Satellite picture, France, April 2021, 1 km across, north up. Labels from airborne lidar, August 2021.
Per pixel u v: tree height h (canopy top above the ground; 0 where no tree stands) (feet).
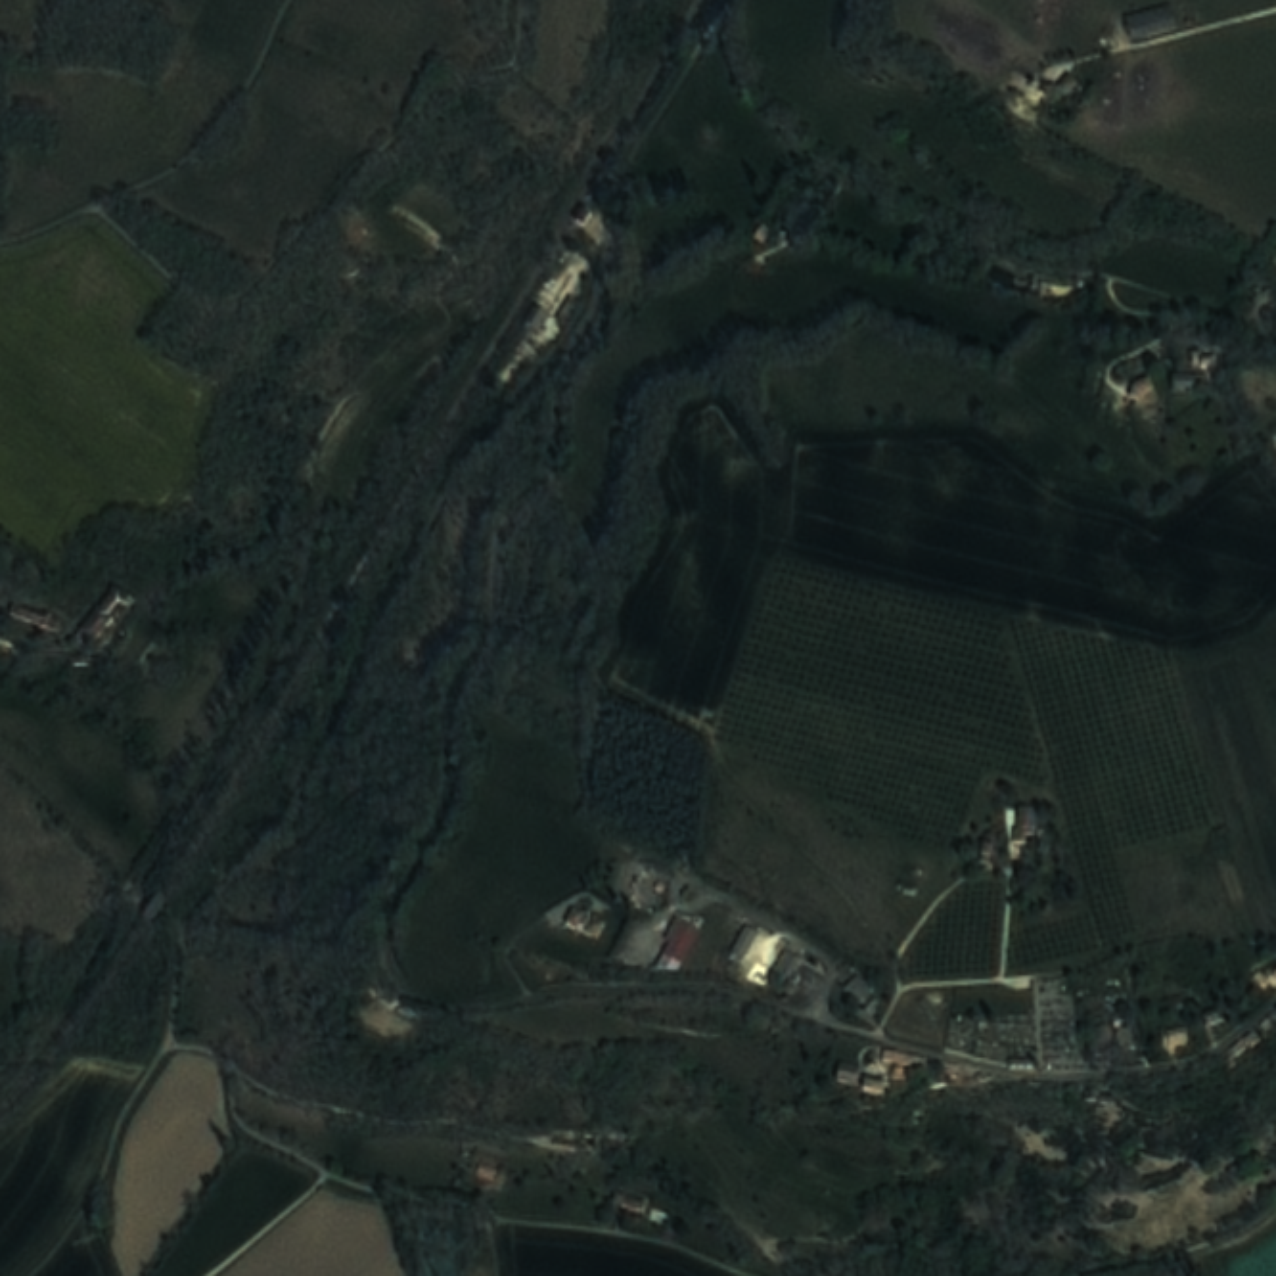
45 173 0
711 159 0
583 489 0
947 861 0
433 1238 27
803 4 0
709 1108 59
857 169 60
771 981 23
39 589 56
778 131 66
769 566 0
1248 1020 26
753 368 69
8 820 0
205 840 58
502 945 23
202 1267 0
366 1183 27
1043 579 0
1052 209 0
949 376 0
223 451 56
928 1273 54
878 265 54
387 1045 25
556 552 38
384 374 0
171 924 42
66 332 0
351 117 0
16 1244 0
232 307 48
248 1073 61
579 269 0
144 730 22
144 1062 60
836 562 0
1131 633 0
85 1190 0
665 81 23
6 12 0
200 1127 0
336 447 0
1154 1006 47
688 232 0
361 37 0
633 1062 61
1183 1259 35
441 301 63
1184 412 0
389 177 54
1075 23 0
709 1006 31
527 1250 0
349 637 104
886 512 0
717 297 0
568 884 0
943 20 0
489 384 30
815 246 74
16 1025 29
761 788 0
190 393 0
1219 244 53
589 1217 0
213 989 0
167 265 60
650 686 0
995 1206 48
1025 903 36
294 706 56
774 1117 42
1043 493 0
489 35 42
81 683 30
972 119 25
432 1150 0
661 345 0
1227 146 0
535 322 0
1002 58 0
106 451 0
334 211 53
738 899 26
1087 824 17
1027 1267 60
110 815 0
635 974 25
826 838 0
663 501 30
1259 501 0
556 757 0
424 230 0
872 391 0
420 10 0
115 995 52
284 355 54
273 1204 0
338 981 59
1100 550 0
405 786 69
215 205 0
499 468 65
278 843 64
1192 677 0
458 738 57
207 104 0
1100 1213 52
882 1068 0
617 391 0
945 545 0
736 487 0
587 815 28
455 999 0
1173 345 49
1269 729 0
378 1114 55
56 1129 0
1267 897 0
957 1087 50
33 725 0
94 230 0
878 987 45
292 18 0
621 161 65
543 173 61
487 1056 42
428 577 43
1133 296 0
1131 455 0
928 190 0
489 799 0
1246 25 0
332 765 65
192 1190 0
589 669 45
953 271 60
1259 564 0
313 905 20
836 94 0
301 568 70
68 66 55
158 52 52
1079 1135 50
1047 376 0
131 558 28
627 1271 0
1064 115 28
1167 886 0
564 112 29
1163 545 0
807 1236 0
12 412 0
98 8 53
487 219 57
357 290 28
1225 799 0
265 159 0
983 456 0
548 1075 52
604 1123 64
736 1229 38
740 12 49
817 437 0
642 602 0
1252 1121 52
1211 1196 32
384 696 41
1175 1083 35
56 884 0
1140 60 0
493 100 56
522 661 44
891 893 0
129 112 0
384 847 52
